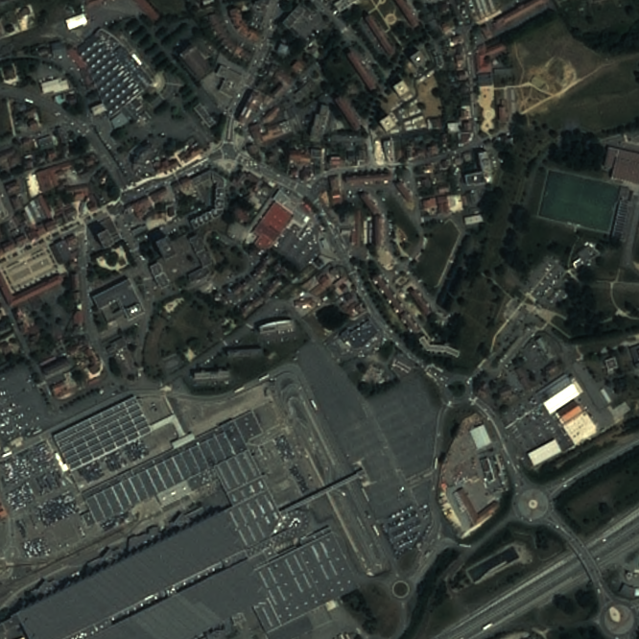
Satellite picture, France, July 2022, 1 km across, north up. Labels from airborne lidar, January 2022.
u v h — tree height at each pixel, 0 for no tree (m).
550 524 0
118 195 14
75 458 0
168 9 0
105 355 0
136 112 0
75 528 0
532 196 0
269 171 0
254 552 0
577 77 0
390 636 0
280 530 0
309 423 0
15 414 0
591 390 0
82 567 0
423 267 0
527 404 0
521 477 0
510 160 15
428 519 0
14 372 0
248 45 0
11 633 0
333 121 0
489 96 0
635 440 0
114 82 0
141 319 0
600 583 0
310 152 0
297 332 0
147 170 0
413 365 0
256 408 0
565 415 0
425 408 0
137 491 0
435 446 0
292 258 0
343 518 0
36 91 0
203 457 0
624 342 0
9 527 0
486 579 0
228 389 0
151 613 0
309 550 0
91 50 0
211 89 0
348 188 0
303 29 0
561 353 0
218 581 0
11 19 0
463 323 13
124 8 0
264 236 0
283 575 0
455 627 0
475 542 0
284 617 0
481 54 0
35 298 0
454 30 0
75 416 0
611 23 0
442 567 6
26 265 0
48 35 0
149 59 0
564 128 0
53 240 0
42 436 0
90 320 0
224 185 0
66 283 15
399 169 8
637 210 0
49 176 0
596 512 0
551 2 0
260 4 0
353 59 0
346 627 0
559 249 16
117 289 0
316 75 8
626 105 0
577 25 0
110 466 0
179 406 0
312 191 0
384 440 0
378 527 0
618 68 0
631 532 0
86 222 0
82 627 0
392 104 0
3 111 0
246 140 0
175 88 0
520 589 0
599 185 0
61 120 0
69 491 0
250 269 0
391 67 7
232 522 0
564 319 0
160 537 0
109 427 0
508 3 0
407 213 0
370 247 9
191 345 10
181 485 0
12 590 0
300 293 0
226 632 0
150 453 0
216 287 0
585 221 0
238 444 0
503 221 0
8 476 0
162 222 0
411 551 0
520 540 0
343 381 0
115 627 0
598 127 0
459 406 0
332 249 0
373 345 0
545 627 0
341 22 0
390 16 0
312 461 0
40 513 0
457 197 0
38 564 0
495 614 0
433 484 0
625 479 0
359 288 0
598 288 0
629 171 0
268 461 0
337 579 0
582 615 0
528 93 0
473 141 0
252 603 0
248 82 0
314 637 0
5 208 0
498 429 0
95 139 0
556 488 0
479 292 0
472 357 0
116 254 9
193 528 0
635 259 0
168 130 0
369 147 0
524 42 0
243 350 0
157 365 0
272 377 0
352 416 0
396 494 0
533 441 0
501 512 0
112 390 0
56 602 0
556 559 0
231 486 0
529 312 0
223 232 0
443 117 6
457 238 0
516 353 0
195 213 0
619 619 0
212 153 0
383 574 0
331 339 0
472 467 0
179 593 0
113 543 0
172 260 0
